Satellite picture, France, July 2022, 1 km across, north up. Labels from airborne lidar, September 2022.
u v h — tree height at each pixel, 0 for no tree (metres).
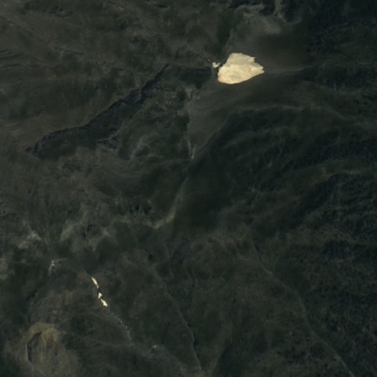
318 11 0
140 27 0
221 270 0
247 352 0
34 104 0
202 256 0
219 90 0
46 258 0
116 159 0
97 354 0
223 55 0
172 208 0
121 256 0
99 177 0
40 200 0
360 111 10
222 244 0
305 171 0
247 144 0
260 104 0
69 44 0
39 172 0
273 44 0
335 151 17
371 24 8
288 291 0
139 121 0
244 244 0
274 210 0
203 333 0
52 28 0
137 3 0
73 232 0
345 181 7
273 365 0
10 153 0
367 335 19
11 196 0
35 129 0
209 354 0
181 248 0
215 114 0
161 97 0
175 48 0
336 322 7
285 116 0
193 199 0
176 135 0
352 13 7
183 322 0
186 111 0
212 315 0
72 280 0
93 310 0
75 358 0
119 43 0
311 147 0
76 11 0
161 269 0
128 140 0
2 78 0
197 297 0
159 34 0
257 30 0
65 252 0
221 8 0
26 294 0
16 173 0
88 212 0
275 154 8
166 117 0
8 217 0
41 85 0
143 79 0
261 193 0
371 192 7
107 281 0
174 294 0
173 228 0
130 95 0
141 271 0
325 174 0
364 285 9
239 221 0
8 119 0
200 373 0
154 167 0
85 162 0
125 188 0
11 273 0
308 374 0
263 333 0
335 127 0
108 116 0
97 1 0
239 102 0
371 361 13
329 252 7
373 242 9
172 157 0
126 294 0
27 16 0
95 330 0
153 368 0
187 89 0
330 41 6
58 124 0
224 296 0
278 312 0
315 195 8
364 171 0
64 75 0
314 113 0
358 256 6
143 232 0
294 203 0
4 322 0
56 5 0
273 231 0
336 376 15
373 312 6
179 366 0
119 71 0
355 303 17
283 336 0
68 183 0
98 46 0
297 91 0
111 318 0
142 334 0
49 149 0
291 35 0
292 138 0
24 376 0
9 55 0
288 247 0
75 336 0
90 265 0
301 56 0
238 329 0
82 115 0
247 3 0
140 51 0
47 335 0
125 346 0
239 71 0
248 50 0
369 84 13
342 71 0
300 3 6
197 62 0
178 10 0
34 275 0
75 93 0
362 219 9
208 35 0
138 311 0
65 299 0
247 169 0
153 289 0
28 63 0
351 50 0
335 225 7
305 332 0
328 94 0
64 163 0
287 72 0
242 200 0
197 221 0
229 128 0
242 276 0
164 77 0
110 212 0
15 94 0
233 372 0
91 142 0
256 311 0
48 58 0
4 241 0
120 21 0
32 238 0
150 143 0
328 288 8
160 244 0
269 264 0
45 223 0
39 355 0
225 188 0
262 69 0
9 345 0
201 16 0
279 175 8
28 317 0
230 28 0
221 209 0
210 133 0
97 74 0
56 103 0
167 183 0
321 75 0
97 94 0
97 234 0
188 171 0
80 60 0
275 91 0
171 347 0
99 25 0
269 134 0
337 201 9
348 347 7
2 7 0
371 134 0
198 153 0
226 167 0
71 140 0
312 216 0
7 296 0
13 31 0
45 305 0
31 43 0
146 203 0
